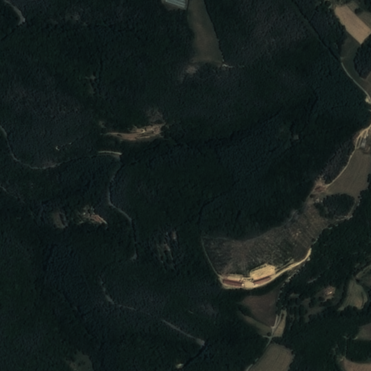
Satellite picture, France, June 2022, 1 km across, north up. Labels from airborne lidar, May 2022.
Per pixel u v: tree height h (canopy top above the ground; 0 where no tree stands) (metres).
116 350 24
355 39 0
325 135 10
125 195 17
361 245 16
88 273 17
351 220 11
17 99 15
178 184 14
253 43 13
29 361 24
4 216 20
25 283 21
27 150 18
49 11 18
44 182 20
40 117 18
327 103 27
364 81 0
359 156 0
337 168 12
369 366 0
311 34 20
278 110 24
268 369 0
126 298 13
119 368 22
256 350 22
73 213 15
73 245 18
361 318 16
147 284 17
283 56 10
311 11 24
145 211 25
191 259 10
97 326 30
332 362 7
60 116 15
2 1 20
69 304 11
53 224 22
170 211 20
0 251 21
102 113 7
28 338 22
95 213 12
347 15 0
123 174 18
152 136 0
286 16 16
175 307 18
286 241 0
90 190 38
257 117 20
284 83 17
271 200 15
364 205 17
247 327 17
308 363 17
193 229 18
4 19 20
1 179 10
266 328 0
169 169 21
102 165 39
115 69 23
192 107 22
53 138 14
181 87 14
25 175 9
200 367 27
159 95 19
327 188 0
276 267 0
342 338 14
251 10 10
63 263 42
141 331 20
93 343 25
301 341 19
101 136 10
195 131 17
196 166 26
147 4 15
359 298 0
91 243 17
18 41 23
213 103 12
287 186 18
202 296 8
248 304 0
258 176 38
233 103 16
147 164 22
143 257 21
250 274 0
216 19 16
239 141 33
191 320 15
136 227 23
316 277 12
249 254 0
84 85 16
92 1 17
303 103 20
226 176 24
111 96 21
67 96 19
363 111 18
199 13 0
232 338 25
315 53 19
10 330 21
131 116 22
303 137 13
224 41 15
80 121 19
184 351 24
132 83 13
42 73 20
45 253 17
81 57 10
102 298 17
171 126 9
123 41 21
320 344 17
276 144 35
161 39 19
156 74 18
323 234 12
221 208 20
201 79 11
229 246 0
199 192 13
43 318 22
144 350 20
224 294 17
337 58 27
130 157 15
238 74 17
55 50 28
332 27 18
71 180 35
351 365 0
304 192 18
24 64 19
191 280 21
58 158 15
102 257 22
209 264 16
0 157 14
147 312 19
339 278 16
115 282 19
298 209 8
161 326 21
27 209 21
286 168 15
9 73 18
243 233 8
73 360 13
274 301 0
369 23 0
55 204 24
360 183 0
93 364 9
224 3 15
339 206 14
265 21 12
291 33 17
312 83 25
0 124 12
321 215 8
